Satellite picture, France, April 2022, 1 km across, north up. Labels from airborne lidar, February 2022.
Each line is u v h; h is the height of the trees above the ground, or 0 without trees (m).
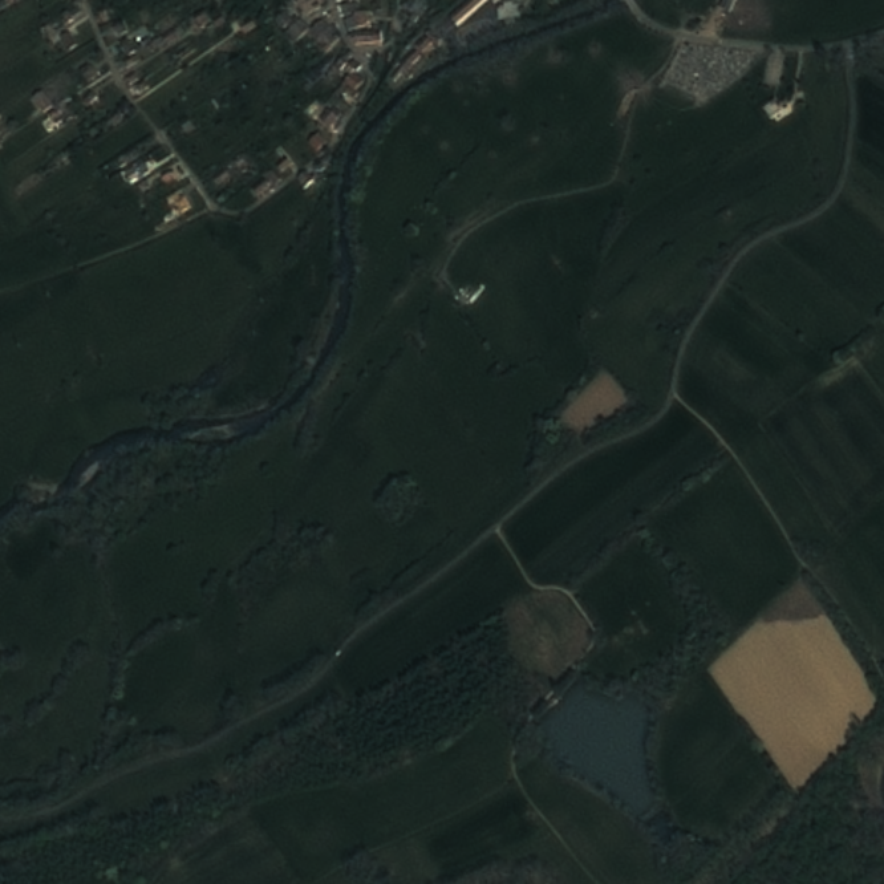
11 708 0
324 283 0
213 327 0
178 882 0
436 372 0
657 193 0
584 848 0
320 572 0
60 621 0
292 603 0
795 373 0
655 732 19
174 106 8
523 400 0
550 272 0
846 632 9
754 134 0
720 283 0
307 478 0
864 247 0
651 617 0
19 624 0
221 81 0
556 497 0
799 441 0
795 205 0
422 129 0
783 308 0
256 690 0
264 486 0
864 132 0
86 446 0
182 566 0
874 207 0
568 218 0
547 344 0
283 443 0
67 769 18
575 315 0
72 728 0
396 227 0
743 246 0
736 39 0
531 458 6
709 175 0
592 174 0
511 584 0
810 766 0
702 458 0
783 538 0
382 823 0
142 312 0
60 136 0
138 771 0
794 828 21
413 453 0
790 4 0
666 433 0
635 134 0
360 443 0
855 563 0
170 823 17
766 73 0
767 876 26
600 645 17
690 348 0
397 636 0
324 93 0
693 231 0
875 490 0
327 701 14
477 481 0
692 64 0
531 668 0
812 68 0
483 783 0
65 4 0
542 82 0
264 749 18
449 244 0
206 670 0
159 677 0
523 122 0
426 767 0
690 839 19
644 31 0
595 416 0
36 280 0
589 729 0
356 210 12
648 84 0
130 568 0
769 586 0
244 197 0
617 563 0
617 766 0
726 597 0
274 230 0
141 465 19
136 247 0
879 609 0
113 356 0
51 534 0
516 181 0
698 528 0
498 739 0
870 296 0
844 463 0
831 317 0
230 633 0
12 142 0
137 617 0
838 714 0
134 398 0
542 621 0
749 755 0
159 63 0
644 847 0
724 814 0
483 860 0
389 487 15
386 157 0
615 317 0
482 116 0
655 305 0
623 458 0
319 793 0
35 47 0
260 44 0
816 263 0
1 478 0
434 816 0
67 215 0
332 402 0
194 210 0
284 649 0
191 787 0
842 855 28
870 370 0
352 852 0
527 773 0
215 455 14
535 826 0
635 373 0
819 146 0
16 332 0
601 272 0
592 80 0
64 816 0
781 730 0
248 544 0
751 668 0
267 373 0
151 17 0
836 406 0
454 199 0
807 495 0
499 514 0
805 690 0
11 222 0
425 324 6
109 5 10
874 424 0
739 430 0
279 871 0
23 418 0
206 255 0
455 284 0
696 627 12
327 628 0
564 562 0
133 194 0
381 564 0
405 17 9
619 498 0
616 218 13
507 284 0
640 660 0
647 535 9
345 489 0
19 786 0
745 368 0
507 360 0
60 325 0
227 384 0
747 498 0
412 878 0
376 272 0
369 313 0
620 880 0
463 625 0
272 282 0
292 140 0
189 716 0
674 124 0
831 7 0
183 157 0
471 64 21
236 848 0
